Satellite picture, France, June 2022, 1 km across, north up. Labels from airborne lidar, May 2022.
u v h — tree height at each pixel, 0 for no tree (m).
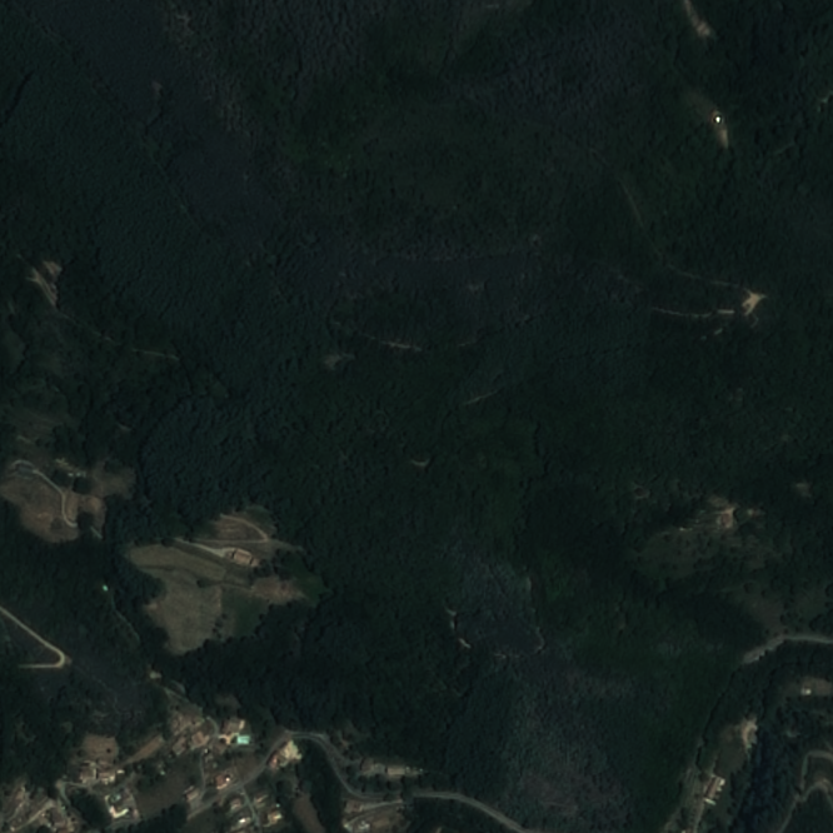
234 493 36
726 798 0
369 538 15
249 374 25
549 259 6
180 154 13
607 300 16
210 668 17
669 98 12
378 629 20
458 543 13
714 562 10
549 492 18
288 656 18
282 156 12
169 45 13
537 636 12
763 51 35
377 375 15
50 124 20
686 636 11
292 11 22
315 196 10
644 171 9
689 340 11
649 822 21
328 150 6
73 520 0
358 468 17
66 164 26
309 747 11
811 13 8
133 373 12
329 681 21
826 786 0
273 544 0
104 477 0
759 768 25
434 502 13
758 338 9
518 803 11
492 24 8
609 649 13
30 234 14
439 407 18
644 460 16
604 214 10
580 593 11
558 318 17
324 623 24
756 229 8
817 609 0
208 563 0
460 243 7
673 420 17
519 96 9
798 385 17
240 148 13
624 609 12
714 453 15
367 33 16
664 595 12
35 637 0
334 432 18
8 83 11
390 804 10
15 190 15
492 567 6
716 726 21
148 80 15
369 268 14
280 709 25
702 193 12
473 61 17
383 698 16
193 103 13
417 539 13
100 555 15
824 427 15
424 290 16
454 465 20
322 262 14
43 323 10
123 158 29
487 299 8
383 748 10
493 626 15
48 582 12
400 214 7
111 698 0
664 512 11
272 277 9
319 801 13
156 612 0
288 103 12
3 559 18
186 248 22
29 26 22
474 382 21
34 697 8
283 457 27
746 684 24
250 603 0
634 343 23
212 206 12
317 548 21
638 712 23
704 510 13
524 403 20
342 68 10
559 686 11
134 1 15
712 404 16
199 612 0
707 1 19
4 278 14
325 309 15
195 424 31
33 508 0
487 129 6
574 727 11
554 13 12
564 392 17
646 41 14
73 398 11
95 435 18
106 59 17
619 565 26
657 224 15
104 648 8
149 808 0
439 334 13
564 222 7
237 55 16
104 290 13
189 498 24
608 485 14
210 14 14
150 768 12
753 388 11
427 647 8
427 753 17
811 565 19
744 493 19
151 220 22
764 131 10
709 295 9
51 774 18
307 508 15
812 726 7
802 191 10
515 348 18
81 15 16
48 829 11
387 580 15
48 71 17
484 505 15
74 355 11
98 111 20
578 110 18
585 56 17
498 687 24
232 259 22
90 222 16
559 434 27
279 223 16
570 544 21
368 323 10
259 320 27
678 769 17
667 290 7
